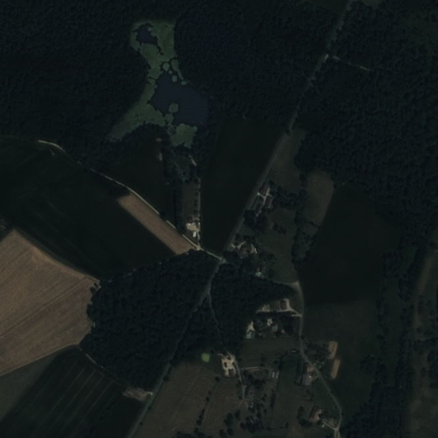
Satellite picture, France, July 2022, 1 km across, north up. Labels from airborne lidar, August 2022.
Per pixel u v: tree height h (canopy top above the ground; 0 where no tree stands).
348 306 0
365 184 22
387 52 6
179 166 0
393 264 17
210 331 19
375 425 33
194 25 23
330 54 20
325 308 0
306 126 10
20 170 0
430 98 20
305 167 21
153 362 17
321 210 0
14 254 0
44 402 0
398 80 24
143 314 27
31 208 0
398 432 25
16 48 19
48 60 24
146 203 0
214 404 0
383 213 7
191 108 0
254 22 12
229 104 19
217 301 18
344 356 0
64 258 0
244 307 20
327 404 0
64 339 0
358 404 0
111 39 19
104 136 22
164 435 0
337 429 0
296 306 0
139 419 0
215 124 26
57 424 0
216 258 11
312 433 0
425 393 0
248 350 0
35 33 19
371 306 0
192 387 0
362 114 15
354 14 5
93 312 22
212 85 26
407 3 22
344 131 13
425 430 0
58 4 17
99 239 0
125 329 23
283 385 0
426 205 23
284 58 17
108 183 17
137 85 21
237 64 24
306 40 16
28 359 0
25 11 22
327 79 30
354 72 22
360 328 0
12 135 9
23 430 0
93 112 25
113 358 14
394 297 0
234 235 0
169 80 0
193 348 25
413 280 17
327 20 23
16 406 0
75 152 25
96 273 0
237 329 17
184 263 15
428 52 26
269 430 14
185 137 0
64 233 0
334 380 0
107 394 0
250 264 24
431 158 25
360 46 29
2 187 0
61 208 0
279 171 0
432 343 7
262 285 17
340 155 27
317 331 0
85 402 0
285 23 10
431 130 27
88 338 15
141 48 0
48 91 24
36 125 21
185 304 23
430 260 0
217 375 0
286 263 0
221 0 22
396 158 13
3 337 0
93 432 10
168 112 0
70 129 15
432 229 16
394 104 22
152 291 10
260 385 10
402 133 24
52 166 0
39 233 0
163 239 0
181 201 16
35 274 0
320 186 0
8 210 0
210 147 21
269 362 0
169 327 24
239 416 13
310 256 16
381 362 11
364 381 0
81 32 21
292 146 0
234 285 22
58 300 0
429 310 0
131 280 14
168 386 0
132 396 0
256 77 20
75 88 22
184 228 14
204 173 12
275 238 0
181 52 17
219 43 25
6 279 0
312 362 0
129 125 0
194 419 0
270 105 17
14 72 20
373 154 23
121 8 20
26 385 0
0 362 0
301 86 24
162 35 0
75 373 0
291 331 20
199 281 22
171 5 21
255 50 21
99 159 24
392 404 32
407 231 9
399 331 0
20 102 23
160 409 0
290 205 16
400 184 8
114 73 22
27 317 0
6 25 23
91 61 21
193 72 20
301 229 9
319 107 7
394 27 23
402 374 25
